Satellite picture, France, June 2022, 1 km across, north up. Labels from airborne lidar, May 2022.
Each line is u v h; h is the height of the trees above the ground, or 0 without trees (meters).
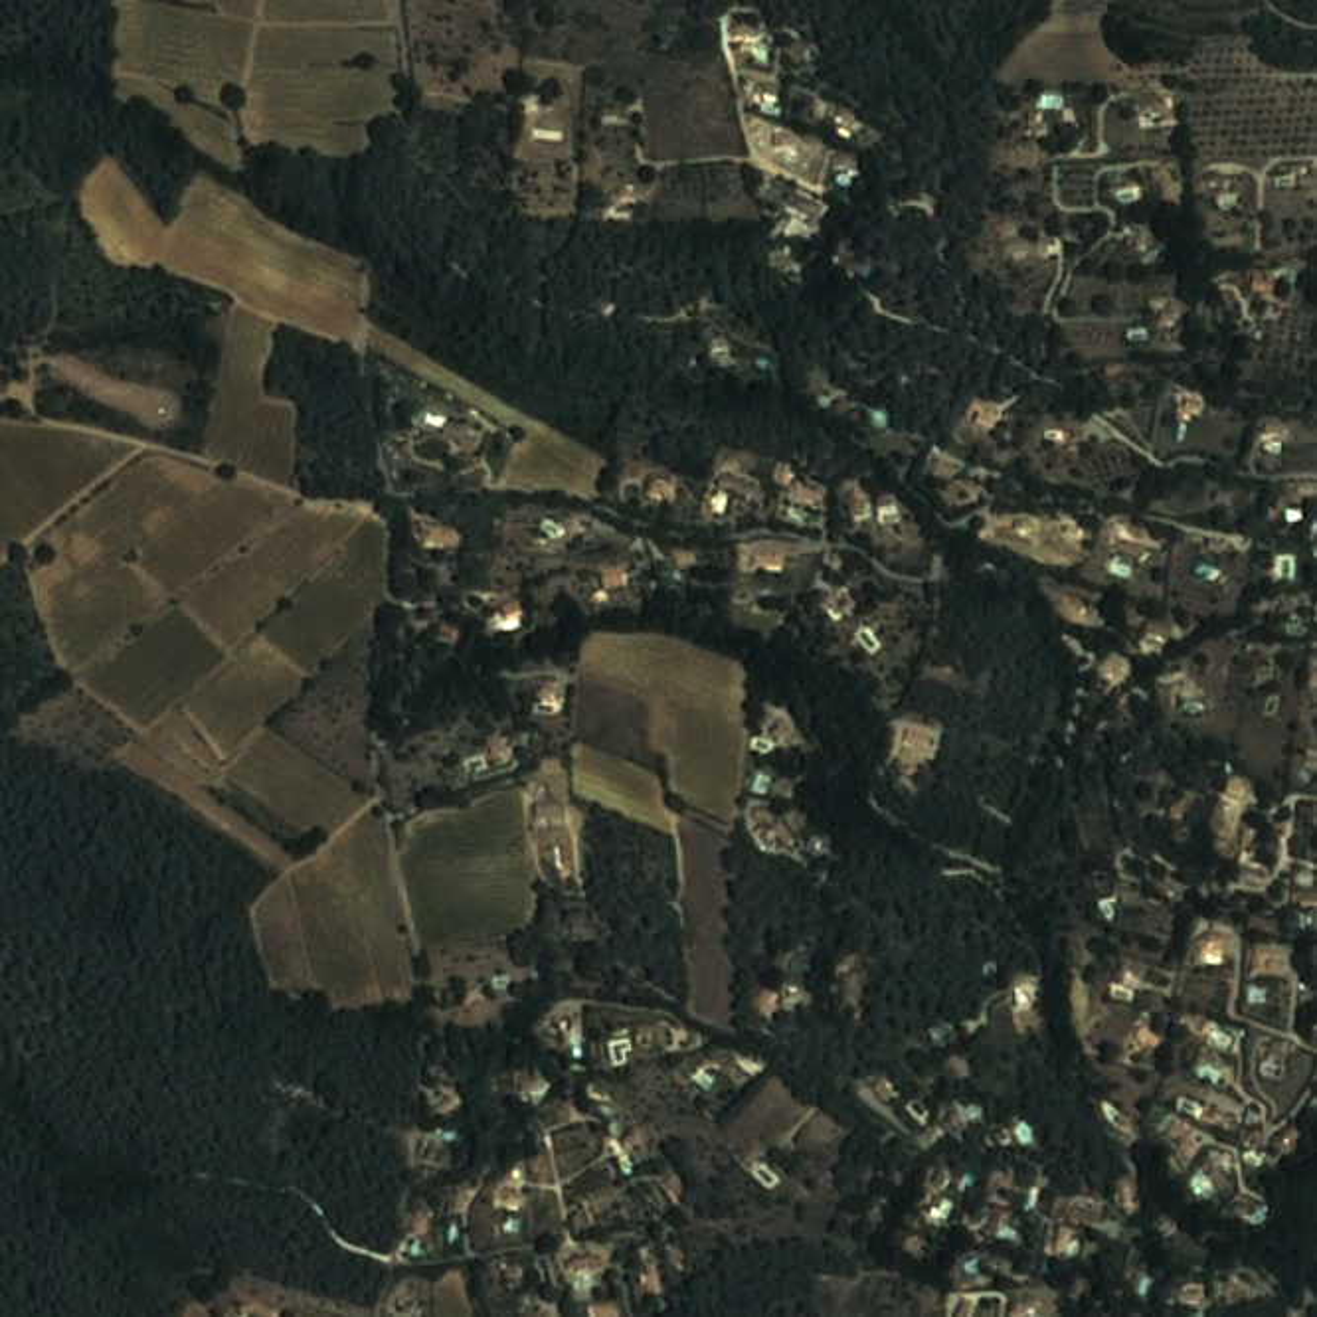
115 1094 22
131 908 18
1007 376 21
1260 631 8
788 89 8
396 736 13
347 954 0
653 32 7
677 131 0
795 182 9
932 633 8
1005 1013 0
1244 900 14
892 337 22
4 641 16
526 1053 16
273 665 0
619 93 9
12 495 0
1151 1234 13
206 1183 20
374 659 11
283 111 0
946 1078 10
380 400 16
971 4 18
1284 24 9
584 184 13
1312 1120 16
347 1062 19
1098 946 15
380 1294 13
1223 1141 6
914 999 17
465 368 9
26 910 15
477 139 11
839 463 18
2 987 19
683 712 0
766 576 13
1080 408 9
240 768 0
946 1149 13
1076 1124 17
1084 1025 0
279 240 0
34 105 9
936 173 22
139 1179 18
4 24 19
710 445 19
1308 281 14
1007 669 16
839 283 17
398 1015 18
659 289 13
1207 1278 6
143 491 0
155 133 20
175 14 0
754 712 14
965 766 8
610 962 22
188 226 0
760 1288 19
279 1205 18
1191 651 11
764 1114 0
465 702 15
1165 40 9
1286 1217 17
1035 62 0
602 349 13
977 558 17
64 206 10
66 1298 21
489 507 21
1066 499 9
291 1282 18
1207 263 13
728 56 0
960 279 20
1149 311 6
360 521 0
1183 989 0
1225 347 9
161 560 0
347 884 0
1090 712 8
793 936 18
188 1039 15
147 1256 7
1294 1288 14
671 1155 20
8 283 16
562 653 13
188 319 10
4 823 16
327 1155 18
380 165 15
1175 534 15
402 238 18
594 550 7
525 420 0
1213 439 0
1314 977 17
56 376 0
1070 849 11
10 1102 11
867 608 10
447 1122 9
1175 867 15
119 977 19
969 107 20
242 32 0
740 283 18
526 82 16
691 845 0
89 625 0
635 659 0
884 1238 12
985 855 12
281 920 0
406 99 15
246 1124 18
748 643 13
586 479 0
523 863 0
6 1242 25
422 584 16
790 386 12
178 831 17
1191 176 8
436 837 0
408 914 0
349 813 0
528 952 19
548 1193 0
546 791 0
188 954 17
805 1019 18
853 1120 14
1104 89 11
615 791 0
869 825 15
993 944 18
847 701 16
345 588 0
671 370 21
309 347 9
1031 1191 20
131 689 0
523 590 7
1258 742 0
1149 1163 19
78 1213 18
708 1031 9
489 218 18
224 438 0
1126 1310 8
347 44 0
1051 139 9
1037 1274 8
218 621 0
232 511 0
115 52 13
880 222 16
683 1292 12
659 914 22
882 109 11
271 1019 18
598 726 0
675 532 9
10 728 11
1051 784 19
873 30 10
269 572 0
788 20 17
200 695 0
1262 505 9
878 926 9
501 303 21
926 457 9
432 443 0
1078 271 7
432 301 16
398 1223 21
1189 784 22
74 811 19
